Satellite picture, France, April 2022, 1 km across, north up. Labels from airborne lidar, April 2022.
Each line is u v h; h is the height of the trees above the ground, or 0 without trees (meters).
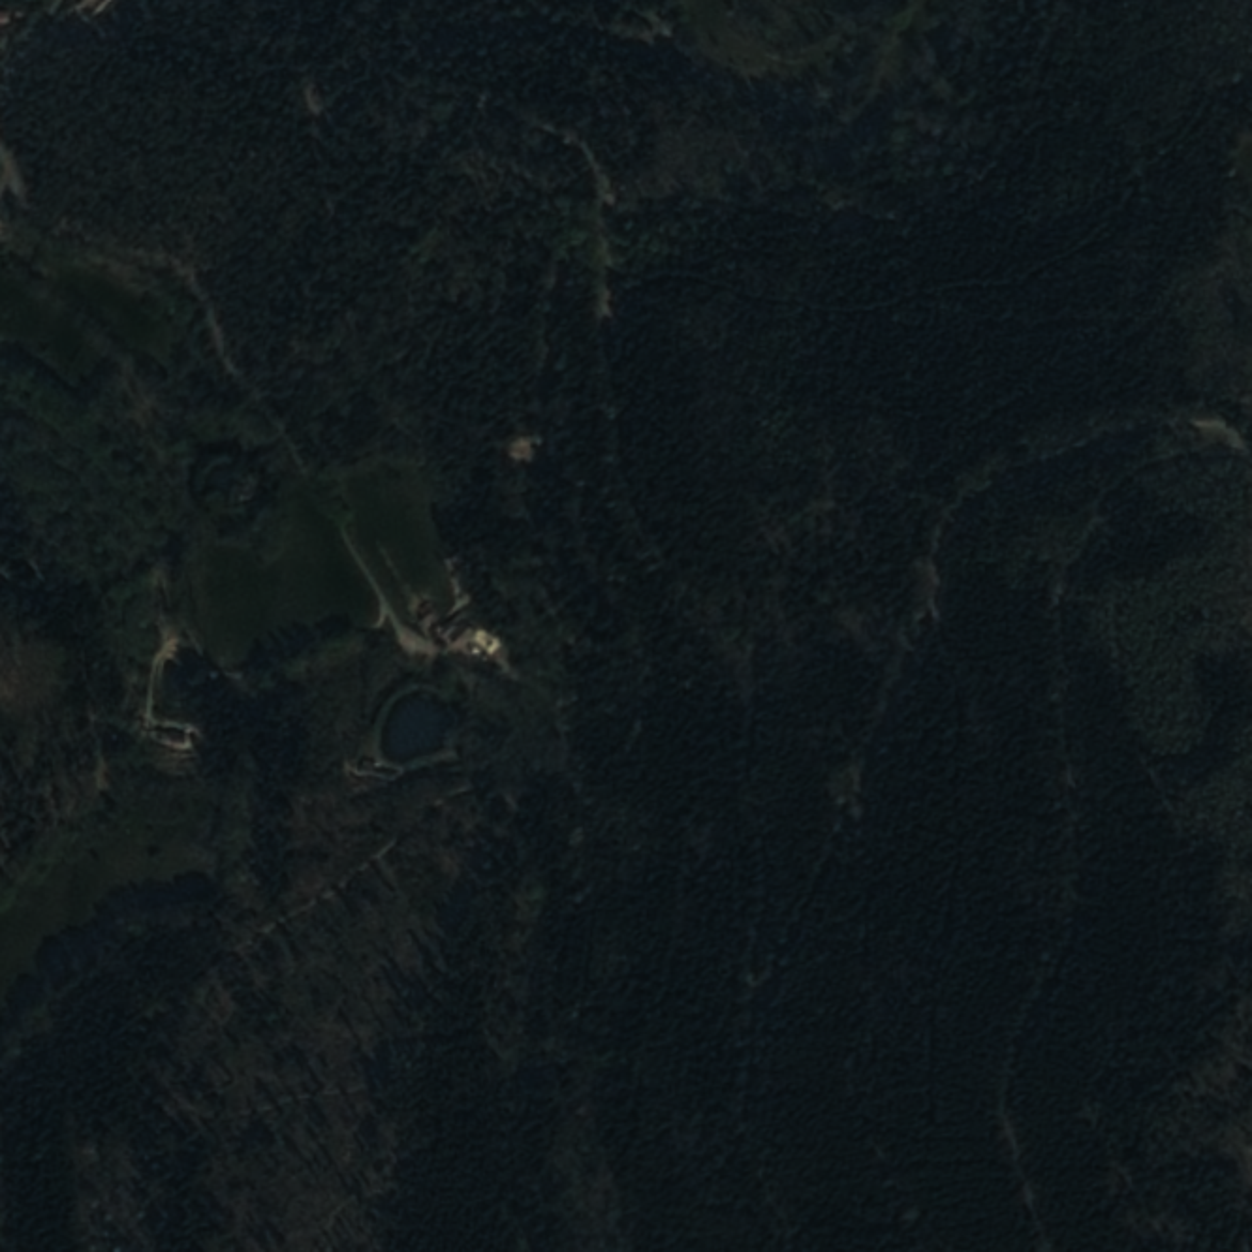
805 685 24
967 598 21
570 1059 17
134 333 0
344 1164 0
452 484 21
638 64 17
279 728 28
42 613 17
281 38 28
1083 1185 20
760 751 20
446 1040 32
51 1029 24
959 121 21
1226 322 13
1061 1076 15
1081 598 13
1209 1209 12
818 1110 21
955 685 20
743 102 23
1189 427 11
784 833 22
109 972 23
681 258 16
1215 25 16
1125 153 19
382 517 0
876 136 28
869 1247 24
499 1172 32
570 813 24
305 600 0
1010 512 17
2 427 24
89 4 0
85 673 9
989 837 25
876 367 23
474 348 23
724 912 23
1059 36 21
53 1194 24
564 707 19
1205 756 22
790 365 24
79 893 0
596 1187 23
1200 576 16
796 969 22
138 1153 13
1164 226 17
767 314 22
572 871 19
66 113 22
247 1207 11
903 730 23
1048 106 21
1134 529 19
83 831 14
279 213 24
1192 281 15
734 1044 22
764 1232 17
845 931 26
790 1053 21
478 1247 30
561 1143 27
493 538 27
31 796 10
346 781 9
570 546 19
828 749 25
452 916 0
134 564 20
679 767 20
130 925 25
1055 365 18
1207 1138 12
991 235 25
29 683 13
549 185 20
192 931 24
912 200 23
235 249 23
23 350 0
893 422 19
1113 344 20
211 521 0
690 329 21
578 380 24
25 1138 31
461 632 0
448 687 27
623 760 19
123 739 33
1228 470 16
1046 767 20
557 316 11
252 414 29
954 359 22
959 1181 14
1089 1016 21
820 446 24
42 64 21
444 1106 28
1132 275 18
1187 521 20
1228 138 15
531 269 12
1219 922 14
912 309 18
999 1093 18
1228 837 14
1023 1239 18
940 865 22
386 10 21
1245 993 7
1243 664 22
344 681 10
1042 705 23
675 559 23
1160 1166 11
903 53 0
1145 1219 17
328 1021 14
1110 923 20
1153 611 18
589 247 20
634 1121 21
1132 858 17
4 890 20
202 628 0
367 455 22
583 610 20
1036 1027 12
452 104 25
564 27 30
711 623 17
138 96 23
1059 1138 15
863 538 21
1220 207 18
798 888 24
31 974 0
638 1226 15
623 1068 14
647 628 22
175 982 24
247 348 10
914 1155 17
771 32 17
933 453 20
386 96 16
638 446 22
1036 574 18
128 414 18
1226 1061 7
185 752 0
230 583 0
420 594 0
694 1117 17
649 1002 26
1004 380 16
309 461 27
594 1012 21
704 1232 15
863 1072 20
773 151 24
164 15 22
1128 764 16
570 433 21
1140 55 17
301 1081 0
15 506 32
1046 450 20
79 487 13
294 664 12
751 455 18
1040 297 21
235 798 27
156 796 14
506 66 26
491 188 20
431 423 27
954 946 25
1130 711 18
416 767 0
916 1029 19
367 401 28
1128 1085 15
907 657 16
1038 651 19
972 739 21
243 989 30
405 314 24
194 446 21
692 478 17
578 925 20
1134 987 19
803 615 21
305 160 20
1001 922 22
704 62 19
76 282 0
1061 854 23
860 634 8
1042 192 19
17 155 18
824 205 17
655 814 23
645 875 22
